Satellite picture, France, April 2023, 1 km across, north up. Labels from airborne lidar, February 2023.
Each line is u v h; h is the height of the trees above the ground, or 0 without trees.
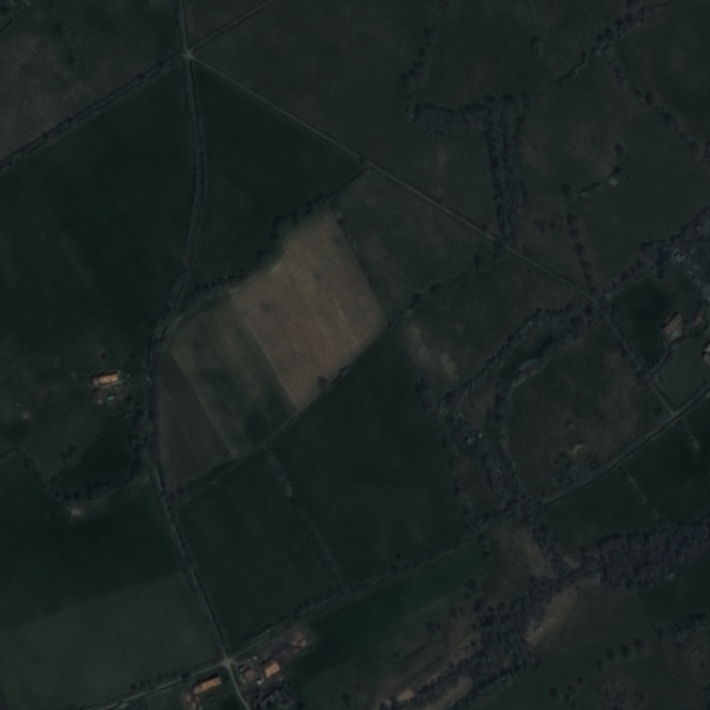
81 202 0
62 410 0
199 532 0
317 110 0
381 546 0
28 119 0
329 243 0
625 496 0
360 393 0
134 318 0
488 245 0
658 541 13
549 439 0
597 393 0
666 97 0
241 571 0
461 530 0
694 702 0
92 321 0
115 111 0
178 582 0
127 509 0
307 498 0
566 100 0
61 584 0
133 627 0
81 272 0
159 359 13
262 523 0
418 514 0
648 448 0
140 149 0
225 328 0
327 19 0
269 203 0
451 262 0
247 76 0
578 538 0
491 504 0
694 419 0
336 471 0
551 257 0
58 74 0
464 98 0
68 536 0
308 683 0
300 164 0
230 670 0
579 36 0
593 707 0
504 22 0
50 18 0
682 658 0
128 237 0
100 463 0
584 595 0
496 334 0
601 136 0
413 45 0
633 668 0
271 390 0
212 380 0
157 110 0
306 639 0
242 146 0
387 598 0
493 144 13
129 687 0
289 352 0
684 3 0
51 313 0
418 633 0
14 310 0
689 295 0
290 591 0
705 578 0
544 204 0
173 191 0
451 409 15
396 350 0
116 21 0
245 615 0
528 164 0
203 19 0
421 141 0
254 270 0
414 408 0
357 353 0
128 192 0
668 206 0
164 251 0
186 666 0
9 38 0
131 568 0
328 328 0
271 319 0
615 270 0
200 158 8
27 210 0
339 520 0
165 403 0
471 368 0
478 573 0
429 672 0
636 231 0
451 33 0
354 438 0
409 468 0
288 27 0
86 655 0
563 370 0
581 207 0
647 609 0
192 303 12
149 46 0
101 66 0
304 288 0
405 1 0
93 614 0
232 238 0
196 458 0
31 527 0
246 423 0
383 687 0
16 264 0
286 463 0
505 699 0
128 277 0
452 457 14
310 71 0
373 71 0
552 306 0
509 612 15
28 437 0
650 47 0
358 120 0
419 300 12
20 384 0
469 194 0
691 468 0
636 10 15
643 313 0
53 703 0
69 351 0
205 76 0
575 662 0
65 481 0
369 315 0
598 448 0
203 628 0
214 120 0
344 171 0
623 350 8
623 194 0
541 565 0
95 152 0
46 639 0
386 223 0
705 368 0
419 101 0
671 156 0
